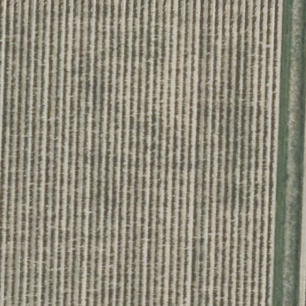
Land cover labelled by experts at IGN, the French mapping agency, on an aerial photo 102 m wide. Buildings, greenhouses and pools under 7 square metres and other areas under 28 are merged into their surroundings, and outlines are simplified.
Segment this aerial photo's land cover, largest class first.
<instances>
[{"label":"vineyard","instance_id":"1","mask_svg":"<svg viewBox=\"0 0 306 306\"><path fill-rule=\"evenodd\" d=\"M0 306H306V0H0Z\"/></svg>","mask_w":306,"mask_h":306}]
</instances>
